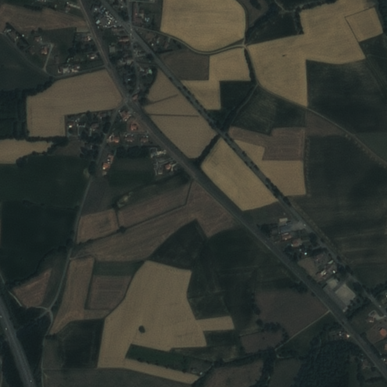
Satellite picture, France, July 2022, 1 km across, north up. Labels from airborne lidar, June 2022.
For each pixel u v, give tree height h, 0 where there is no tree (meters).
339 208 0
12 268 0
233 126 0
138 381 0
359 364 10
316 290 0
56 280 0
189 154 0
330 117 0
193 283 0
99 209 0
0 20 0
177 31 0
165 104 0
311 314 0
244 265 0
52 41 0
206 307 0
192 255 0
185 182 0
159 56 0
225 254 0
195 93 0
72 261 0
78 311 0
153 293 0
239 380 0
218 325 0
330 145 0
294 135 0
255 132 0
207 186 0
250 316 0
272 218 0
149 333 0
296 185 0
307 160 0
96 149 10
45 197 0
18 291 0
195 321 0
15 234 0
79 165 0
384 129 0
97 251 0
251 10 0
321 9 0
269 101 0
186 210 0
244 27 0
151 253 0
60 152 0
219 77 0
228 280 0
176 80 0
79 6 0
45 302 0
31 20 0
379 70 0
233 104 0
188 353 0
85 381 0
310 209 0
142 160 0
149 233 0
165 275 0
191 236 0
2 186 0
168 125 0
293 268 0
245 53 6
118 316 0
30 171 0
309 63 0
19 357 0
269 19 12
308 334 0
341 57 0
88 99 0
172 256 0
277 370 0
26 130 17
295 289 7
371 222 0
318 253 11
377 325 0
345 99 0
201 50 0
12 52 0
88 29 0
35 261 0
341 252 0
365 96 0
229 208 0
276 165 0
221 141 0
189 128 0
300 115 0
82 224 0
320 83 0
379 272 0
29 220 0
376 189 0
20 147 0
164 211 0
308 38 0
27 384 0
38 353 19
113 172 0
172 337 0
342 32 0
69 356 0
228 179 0
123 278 0
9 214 0
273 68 0
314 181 0
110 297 0
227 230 0
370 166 0
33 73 0
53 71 0
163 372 0
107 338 0
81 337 0
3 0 0
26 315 13
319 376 17
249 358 8
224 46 0
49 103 0
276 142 0
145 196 0
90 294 0
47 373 0
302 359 18
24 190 0
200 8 0
